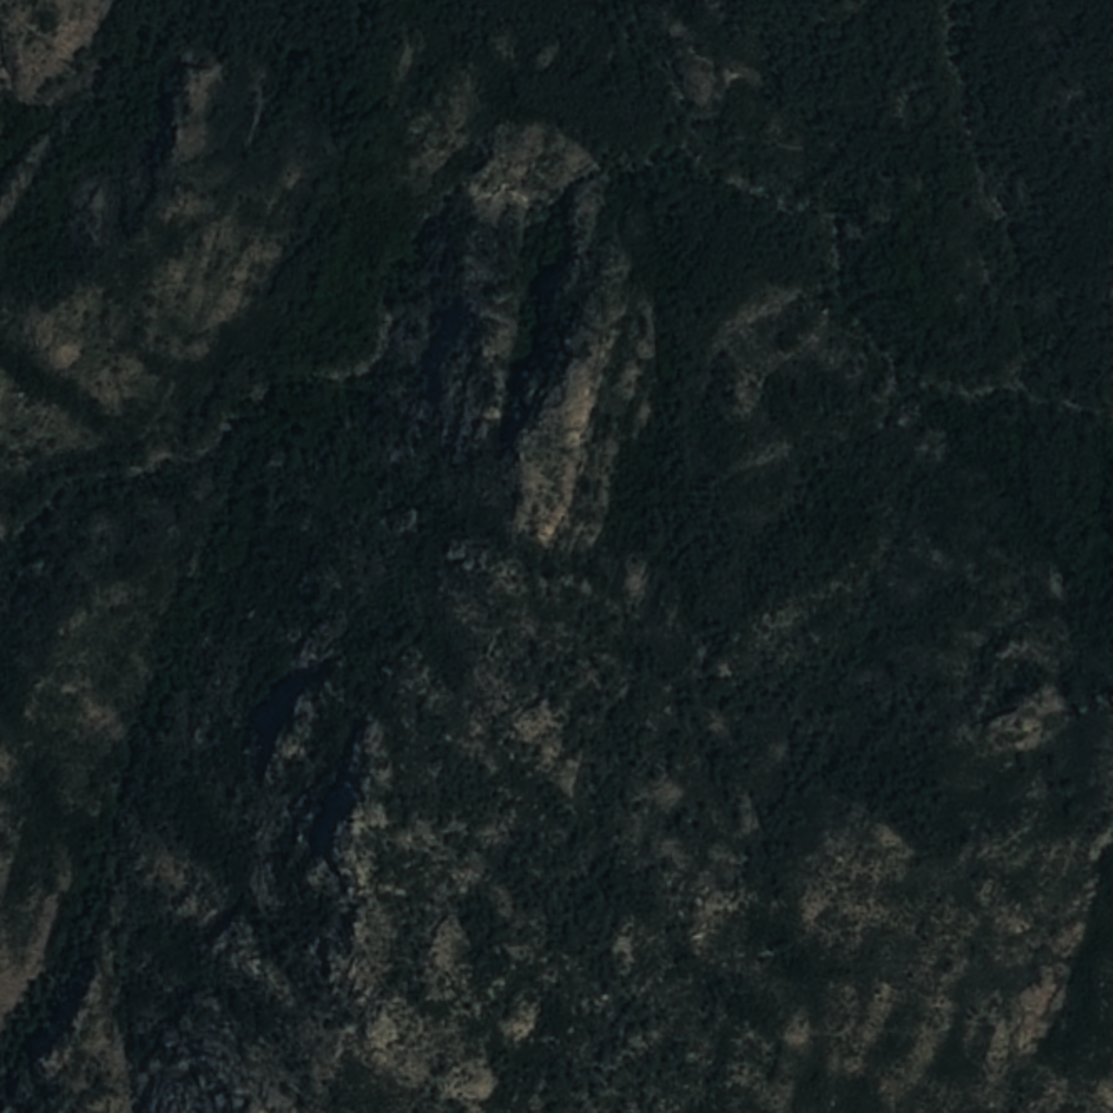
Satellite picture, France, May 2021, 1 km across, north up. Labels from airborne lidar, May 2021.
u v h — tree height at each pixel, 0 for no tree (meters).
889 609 7
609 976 11
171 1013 10
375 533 11
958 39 18
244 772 10
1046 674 10
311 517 8
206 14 28
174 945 10
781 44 21
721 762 24
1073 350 25
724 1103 8
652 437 16
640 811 13
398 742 6
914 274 15
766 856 19
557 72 20
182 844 9
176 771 7
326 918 8
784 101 22
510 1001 14
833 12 18
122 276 6
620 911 12
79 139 27
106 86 29
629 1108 9
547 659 16
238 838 8
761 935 7
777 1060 9
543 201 14
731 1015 8
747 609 6
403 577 10
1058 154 22
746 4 17
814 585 19
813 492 26
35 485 14
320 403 26
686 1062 10
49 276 12
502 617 14
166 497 15
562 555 7
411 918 16
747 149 10
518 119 14
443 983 7
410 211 15
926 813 13
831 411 14
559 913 18
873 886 0
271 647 6
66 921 19
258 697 8
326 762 7
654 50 8
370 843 14
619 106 21
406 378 11
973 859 0
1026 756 17
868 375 11
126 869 8
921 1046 0
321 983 16
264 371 13
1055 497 28
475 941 15
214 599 16
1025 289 26
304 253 26
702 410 8
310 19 32
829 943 0
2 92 7
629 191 10
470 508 6
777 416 10
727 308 19
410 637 20
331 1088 9
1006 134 17
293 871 9
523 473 0
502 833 13
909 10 20
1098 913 7
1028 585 8
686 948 7
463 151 10
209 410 24
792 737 13
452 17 23
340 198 12
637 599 8
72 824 8
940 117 16
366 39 31
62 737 6
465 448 7
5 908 7
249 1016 8
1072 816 14
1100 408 25
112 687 6
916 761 11
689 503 11
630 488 13
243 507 17
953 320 8
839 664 16
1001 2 18
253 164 5
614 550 7
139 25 30
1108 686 6
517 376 14
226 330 6
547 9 27
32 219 18
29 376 13
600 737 17
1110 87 15
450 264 10
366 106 17
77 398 7
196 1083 6
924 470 15
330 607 13
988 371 19
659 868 10
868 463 16
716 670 17
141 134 16
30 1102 8
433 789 13
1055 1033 10
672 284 15
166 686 20
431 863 10
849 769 17
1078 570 9
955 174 21
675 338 28
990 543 7
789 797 13
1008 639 8
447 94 6
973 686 13
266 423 18
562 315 7
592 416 18
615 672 16
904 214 8
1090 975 9
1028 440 18
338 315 17
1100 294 21
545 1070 14
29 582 11
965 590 6
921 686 12
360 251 12
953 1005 0
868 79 14
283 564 10
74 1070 8
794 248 22
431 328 7
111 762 11
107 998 6
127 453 12
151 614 10
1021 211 18
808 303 23
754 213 23
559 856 15
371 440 13
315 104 8
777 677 20
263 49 24
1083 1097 0
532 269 15
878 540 10
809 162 7
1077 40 18
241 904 13
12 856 7
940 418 18
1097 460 7
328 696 7
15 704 9
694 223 31
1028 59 21
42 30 7
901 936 0
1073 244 20
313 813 6
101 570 9
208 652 8
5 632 11
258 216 6
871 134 22
